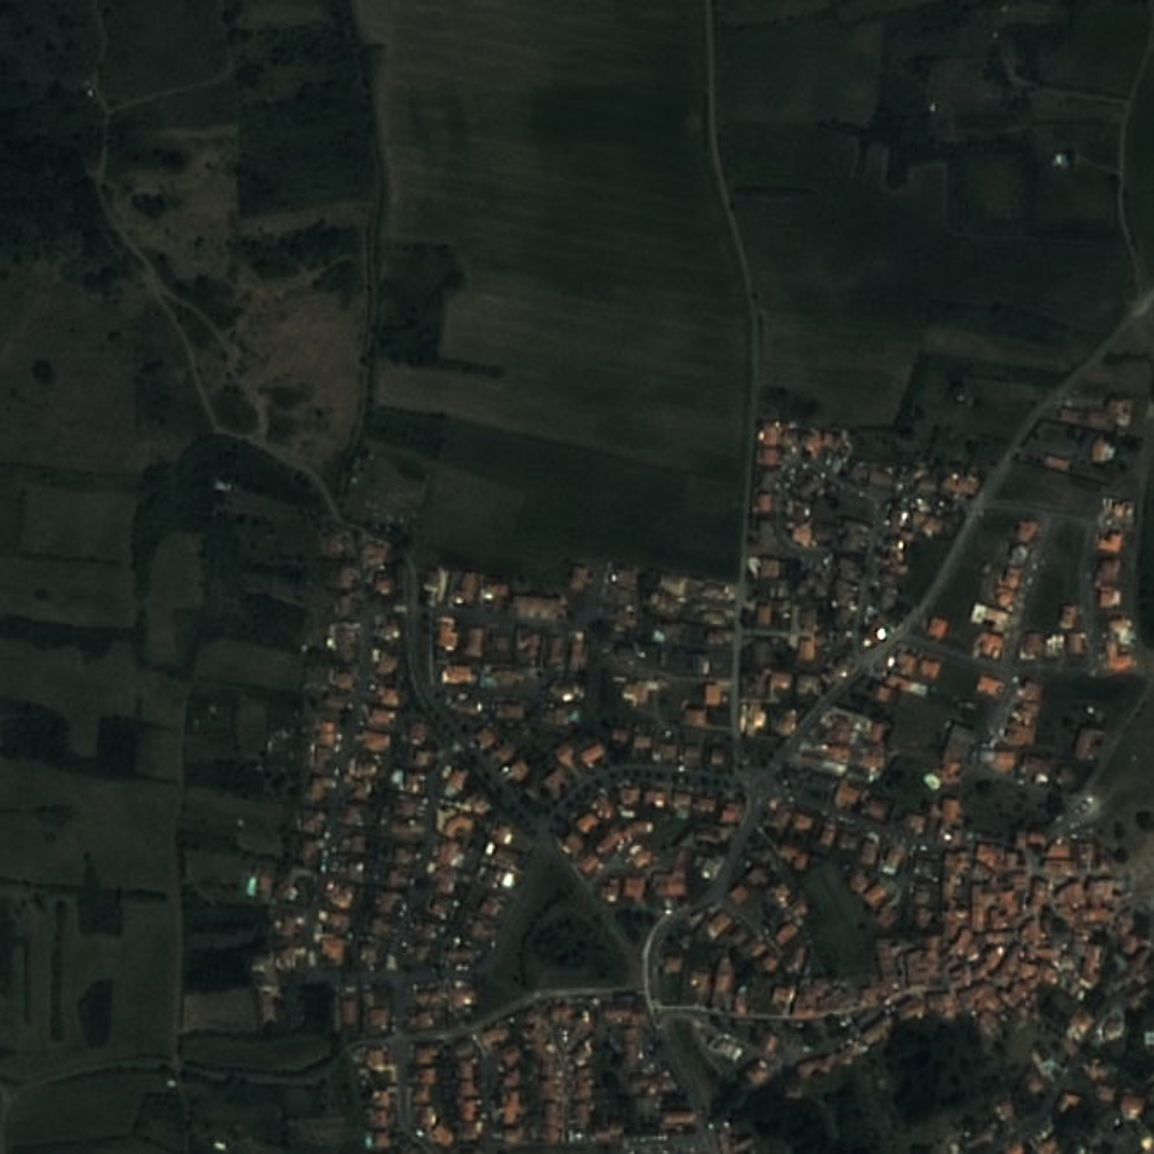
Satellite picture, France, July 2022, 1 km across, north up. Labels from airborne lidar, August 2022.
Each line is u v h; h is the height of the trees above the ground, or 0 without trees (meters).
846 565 0
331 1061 8
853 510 0
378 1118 0
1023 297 0
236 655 0
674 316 0
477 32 0
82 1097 0
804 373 0
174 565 0
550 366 0
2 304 0
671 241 0
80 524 0
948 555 0
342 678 0
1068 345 0
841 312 0
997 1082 8
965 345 0
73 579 0
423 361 7
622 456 0
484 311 0
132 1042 0
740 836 0
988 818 0
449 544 0
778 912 10
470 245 0
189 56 0
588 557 0
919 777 0
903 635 0
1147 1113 8
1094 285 0
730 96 0
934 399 0
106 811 0
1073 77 0
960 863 0
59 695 0
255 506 0
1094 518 0
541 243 0
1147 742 0
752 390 0
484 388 0
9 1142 0
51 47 11
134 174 0
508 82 0
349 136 7
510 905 0
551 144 0
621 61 0
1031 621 0
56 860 0
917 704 0
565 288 0
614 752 12
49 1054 0
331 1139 0
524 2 0
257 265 11
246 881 0
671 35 0
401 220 0
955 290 0
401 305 0
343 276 6
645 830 0
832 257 0
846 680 0
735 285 0
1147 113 0
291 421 0
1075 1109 11
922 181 0
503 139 0
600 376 0
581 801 7
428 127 0
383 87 0
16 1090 0
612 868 0
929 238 0
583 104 0
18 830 0
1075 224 0
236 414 0
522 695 0
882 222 0
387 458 0
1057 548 0
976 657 0
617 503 0
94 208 9
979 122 0
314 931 0
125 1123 0
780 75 0
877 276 0
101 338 0
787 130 0
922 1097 12
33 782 0
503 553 0
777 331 0
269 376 0
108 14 7
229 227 0
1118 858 7
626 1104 7
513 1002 0
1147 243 0
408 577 0
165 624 0
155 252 0
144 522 6
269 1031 5
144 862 0
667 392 0
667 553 0
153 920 0
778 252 0
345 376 0
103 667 0
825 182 0
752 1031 9
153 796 0
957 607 0
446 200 0
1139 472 0
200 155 0
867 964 0
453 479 0
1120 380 0
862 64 0
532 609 0
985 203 0
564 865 0
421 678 0
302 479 6
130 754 6
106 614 0
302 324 0
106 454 0
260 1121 0
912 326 0
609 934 0
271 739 0
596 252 0
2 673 0
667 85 0
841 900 0
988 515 0
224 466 10
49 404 0
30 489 0
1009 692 0
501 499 0
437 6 0
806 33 0
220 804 0
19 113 12
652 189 0
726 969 0
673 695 0
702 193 0
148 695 0
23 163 23
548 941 14
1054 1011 6
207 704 6
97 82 0
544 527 0
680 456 0
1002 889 0
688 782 7
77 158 12
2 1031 0
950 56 0
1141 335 0
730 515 0
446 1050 6
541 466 0
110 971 0
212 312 0
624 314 0
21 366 0
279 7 0
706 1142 0
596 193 0
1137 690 0
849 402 0
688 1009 0
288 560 6
